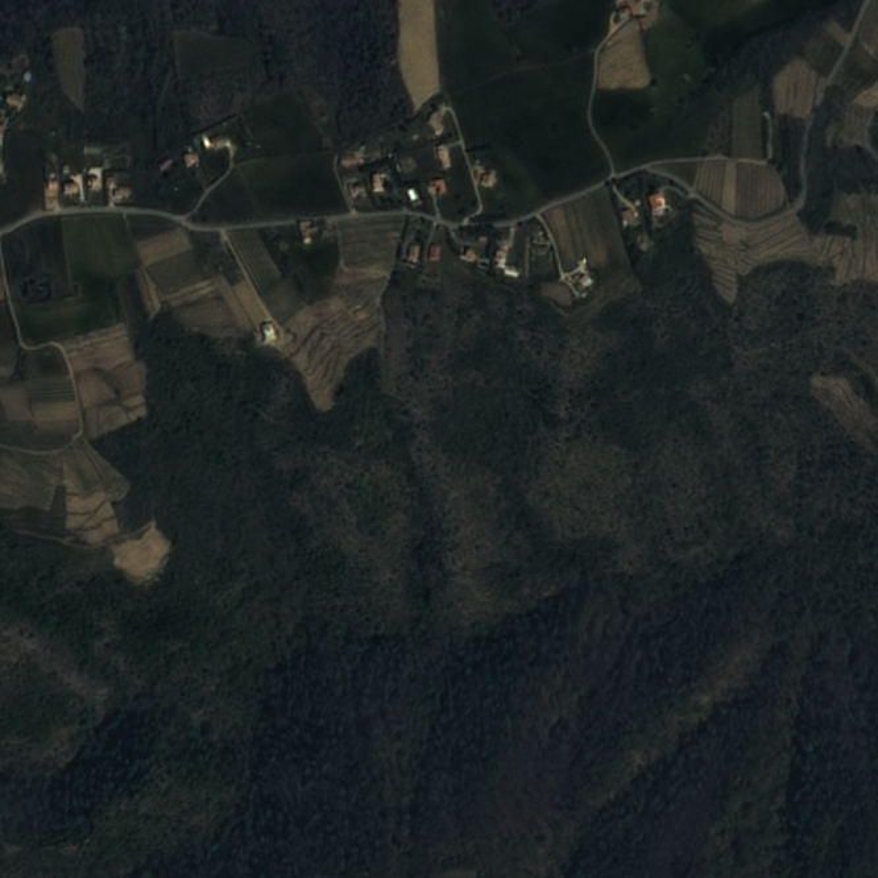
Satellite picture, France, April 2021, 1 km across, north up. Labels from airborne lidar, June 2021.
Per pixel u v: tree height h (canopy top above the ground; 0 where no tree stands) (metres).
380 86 6
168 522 11
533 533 10
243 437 16
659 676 10
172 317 6
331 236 0
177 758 9
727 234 0
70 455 0
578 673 19
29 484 0
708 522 14
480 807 17
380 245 0
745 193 0
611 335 7
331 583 10
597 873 18
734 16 0
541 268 0
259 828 7
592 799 13
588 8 0
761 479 16
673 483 11
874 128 8
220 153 0
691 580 12
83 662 6
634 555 10
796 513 11
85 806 10
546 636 9
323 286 0
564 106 0
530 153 0
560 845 18
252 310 0
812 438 13
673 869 14
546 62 0
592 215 0
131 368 0
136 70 6
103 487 0
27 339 0
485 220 7
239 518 9
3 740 7
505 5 10
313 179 0
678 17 0
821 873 15
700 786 13
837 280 0
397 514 8
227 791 10
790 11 0
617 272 0
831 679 16
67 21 15
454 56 0
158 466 16
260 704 20
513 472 10
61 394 0
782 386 8
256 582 11
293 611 5
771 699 9
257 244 0
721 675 9
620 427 8
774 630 18
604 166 0
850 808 19
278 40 11
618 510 8
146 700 12
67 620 11
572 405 7
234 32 10
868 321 5
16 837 8
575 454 10
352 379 8
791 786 7
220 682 8
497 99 0
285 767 14
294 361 0
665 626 6
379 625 9
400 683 8
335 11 13
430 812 13
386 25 6
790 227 0
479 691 11
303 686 8
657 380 11
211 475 7
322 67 13
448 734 13
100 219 0
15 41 15
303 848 6
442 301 0
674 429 8
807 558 21
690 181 0
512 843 18
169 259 0
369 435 7
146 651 9
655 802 24
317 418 6
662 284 6
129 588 9
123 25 20
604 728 17
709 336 6
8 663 7
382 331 0
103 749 8
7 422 0
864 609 21
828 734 20
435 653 15
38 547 9
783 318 6
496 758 11
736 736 12
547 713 17
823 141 9
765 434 8
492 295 6
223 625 9
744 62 13
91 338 0
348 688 14
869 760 11
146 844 6
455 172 0
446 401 10
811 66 0
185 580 10
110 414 0
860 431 0
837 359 10
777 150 6
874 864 15
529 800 21
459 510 6
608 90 0
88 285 0
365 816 17
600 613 11
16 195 0
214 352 7
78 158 0
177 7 12
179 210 0
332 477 7
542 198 0
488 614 7
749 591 18
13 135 0
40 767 11
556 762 21
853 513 13
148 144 0
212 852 10
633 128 9
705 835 13
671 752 22
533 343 7
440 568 9
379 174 0
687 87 0
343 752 14
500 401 6
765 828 16
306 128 0
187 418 9
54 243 0
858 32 0
